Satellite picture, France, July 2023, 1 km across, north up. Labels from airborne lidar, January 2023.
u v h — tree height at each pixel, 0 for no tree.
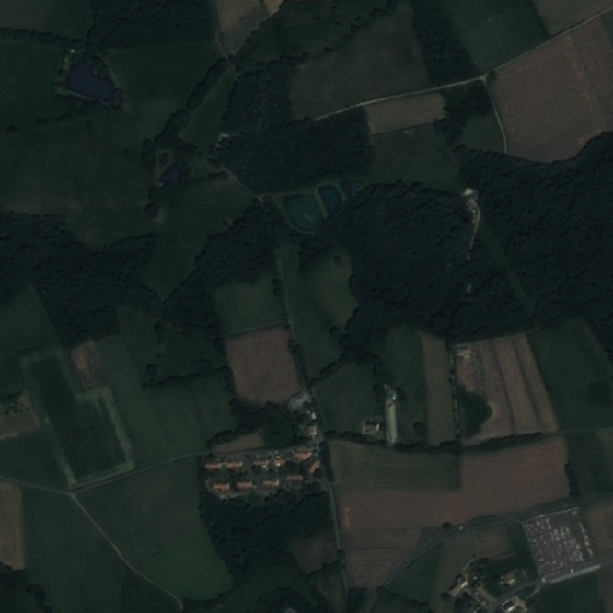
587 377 0
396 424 0
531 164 13
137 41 16
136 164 0
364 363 14
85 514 0
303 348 7
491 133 0
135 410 0
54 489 0
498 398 0
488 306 20
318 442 0
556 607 0
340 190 0
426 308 22
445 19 8
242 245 20
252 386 0
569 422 0
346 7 0
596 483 0
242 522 20
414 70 0
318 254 12
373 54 0
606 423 0
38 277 22
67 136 0
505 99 0
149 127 0
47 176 0
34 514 0
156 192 18
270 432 0
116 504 0
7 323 0
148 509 0
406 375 0
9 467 0
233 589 6
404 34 0
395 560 0
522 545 0
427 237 17
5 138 0
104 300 21
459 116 12
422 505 0
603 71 0
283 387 0
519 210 17
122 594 0
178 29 17
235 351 0
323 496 12
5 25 0
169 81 0
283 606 14
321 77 0
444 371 0
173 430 0
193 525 0
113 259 16
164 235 0
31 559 0
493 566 0
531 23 0
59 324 12
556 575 0
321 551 0
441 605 0
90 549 0
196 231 0
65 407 0
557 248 8
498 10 0
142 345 0
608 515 0
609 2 0
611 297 24
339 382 0
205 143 0
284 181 21
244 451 0
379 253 17
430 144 0
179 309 10
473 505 0
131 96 0
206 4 15
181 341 0
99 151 0
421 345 0
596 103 0
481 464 0
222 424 0
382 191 16
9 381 0
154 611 0
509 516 0
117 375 0
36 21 0
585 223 12
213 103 0
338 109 0
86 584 0
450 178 0
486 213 14
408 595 0
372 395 0
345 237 17
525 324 20
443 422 0
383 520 0
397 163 0
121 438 0
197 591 0
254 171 11
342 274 0
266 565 14
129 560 0
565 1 0
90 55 7
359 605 7
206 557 0
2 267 20
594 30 0
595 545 0
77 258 13
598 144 22
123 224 0
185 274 0
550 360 0
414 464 0
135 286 23
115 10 7
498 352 0
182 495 0
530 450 0
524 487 0
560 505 0
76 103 22
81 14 0
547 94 0
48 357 0
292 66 11
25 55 0
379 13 18
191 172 12
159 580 0
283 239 25
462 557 0
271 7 0
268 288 0
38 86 0
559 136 0
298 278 0
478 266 13
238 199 0
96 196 0
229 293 0
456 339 15
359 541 0
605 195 21
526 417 0
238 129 17
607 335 16
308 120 15
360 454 0
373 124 0
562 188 21
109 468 0
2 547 0
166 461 0
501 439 10
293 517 16
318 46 0
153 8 16
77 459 0
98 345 0
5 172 0
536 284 17
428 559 0
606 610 0
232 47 0
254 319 0
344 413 0
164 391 0
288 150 23
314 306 0
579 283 16
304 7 17
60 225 12
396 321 23
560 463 0
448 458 0
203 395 0
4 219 12
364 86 0
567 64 0
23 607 0
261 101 19
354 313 0
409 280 20
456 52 17
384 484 0
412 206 22
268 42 0
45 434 0
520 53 0
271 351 0
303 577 12
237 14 0
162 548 0
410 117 0
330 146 10
